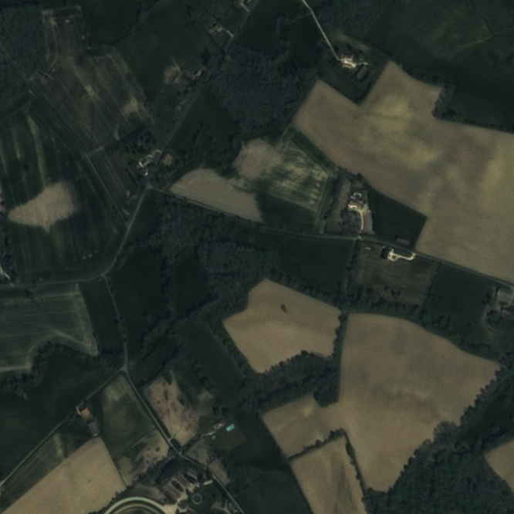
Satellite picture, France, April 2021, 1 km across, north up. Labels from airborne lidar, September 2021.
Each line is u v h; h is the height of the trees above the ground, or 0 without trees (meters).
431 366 0
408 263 0
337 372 16
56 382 0
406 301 0
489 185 0
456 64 0
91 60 0
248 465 0
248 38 0
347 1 20
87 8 0
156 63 0
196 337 0
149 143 13
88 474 0
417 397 0
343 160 0
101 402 0
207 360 0
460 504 14
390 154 0
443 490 24
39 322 0
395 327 0
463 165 0
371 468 0
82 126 0
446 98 18
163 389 0
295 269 0
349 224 16
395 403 0
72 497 0
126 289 0
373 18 12
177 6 0
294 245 0
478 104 0
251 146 0
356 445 0
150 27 0
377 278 0
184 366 0
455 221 0
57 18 0
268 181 0
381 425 0
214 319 18
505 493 21
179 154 0
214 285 27
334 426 0
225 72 15
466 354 0
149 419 0
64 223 0
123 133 0
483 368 0
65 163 0
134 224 0
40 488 0
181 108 10
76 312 0
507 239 0
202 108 0
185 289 0
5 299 0
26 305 0
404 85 0
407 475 15
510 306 0
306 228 0
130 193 0
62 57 0
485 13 0
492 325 7
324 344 0
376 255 0
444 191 0
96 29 0
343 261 0
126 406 0
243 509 0
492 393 16
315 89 0
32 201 0
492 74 0
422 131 0
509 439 20
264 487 0
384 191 0
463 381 0
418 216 0
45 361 11
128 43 0
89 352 0
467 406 0
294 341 0
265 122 12
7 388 20
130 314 0
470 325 7
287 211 0
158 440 0
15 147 0
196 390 0
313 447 9
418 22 0
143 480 17
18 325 0
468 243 0
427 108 0
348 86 0
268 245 0
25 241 0
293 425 0
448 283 0
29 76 17
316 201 0
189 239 19
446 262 0
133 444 0
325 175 0
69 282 0
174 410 0
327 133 0
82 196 0
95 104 0
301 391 19
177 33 0
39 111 0
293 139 0
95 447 0
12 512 0
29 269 0
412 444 0
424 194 0
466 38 0
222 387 0
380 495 12
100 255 0
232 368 0
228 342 20
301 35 0
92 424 0
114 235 0
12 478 0
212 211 7
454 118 22
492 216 0
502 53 0
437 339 0
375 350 0
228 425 0
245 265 22
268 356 0
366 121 0
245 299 23
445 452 14
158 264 0
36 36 19
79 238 0
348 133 0
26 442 0
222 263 21
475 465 21
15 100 18
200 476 7
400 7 0
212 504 9
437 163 0
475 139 0
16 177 0
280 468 0
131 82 0
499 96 0
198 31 0
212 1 0
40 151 0
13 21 18
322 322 0
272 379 17
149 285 0
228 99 14
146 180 8
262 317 0
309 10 10
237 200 0
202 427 0
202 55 0
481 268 0
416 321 0
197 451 0
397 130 0
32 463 0
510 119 0
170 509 0
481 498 25
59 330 0
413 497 21
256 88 15
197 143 14
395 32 0
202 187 0
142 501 0
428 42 0
